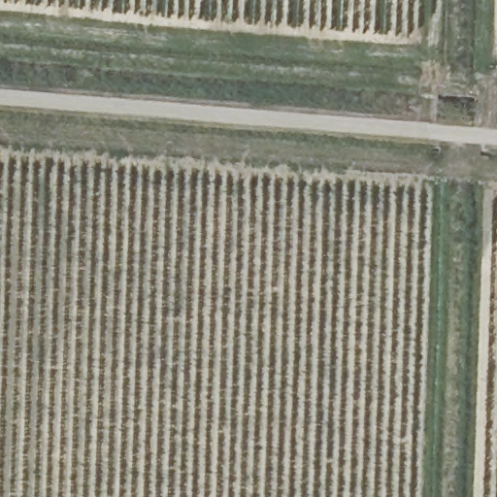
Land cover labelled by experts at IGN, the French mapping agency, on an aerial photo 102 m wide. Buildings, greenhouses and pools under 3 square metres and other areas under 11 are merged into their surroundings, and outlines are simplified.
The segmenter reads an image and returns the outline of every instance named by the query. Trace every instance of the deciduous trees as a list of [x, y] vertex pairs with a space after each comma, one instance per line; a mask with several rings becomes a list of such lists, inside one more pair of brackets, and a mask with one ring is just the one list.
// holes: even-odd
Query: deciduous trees
[[472, 120], [466, 115], [466, 111], [441, 101], [437, 111], [439, 124], [468, 126]]

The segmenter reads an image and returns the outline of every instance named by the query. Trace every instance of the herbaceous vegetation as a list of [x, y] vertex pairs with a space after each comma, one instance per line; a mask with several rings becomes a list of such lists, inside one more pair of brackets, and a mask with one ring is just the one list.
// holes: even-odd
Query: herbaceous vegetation
[[373, 118], [439, 124], [437, 111], [441, 101], [466, 111], [466, 115], [472, 120], [468, 126], [497, 130], [497, 66], [483, 78], [476, 80], [476, 74], [450, 72], [450, 66], [441, 66], [433, 60], [425, 60], [421, 66], [417, 66], [412, 58], [406, 58], [412, 45], [307, 39], [287, 35], [254, 35], [243, 31], [233, 33], [210, 29], [186, 29], [124, 21], [103, 21], [91, 17], [45, 16], [0, 10], [0, 87], [66, 95], [175, 101], [235, 109], [280, 109], [307, 115], [359, 113]]
[[153, 159], [157, 155], [165, 155], [177, 159], [192, 157], [200, 161], [245, 163], [248, 167], [287, 165], [289, 171], [346, 173], [348, 169], [355, 169], [365, 173], [427, 173], [435, 177], [435, 181], [421, 182], [421, 190], [433, 188], [423, 497], [483, 497], [491, 245], [481, 247], [483, 186], [478, 182], [497, 182], [497, 146], [460, 146], [441, 140], [404, 136], [305, 132], [291, 128], [235, 126], [223, 122], [181, 118], [142, 118], [0, 105], [0, 146], [17, 151], [95, 151], [101, 155], [111, 155], [115, 159]]

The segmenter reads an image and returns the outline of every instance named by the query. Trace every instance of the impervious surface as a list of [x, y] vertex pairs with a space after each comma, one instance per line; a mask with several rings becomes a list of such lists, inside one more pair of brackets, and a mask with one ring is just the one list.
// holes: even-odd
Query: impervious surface
[[441, 140], [460, 146], [497, 146], [497, 130], [468, 126], [439, 124], [373, 118], [359, 113], [307, 115], [280, 109], [235, 109], [175, 101], [66, 95], [0, 87], [0, 105], [142, 118], [181, 118], [223, 122], [235, 126], [291, 128], [305, 132], [404, 136]]

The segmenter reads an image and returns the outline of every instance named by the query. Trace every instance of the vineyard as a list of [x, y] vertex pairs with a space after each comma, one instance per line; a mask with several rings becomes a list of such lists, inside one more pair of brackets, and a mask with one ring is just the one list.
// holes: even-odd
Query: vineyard
[[307, 39], [412, 45], [406, 58], [412, 58], [417, 66], [421, 66], [425, 60], [433, 60], [441, 66], [450, 66], [450, 72], [476, 74], [476, 80], [483, 78], [497, 66], [497, 0], [0, 0], [0, 10], [45, 16], [91, 17], [103, 21], [124, 21], [186, 29], [210, 29], [233, 33], [243, 31], [254, 35], [287, 35]]
[[483, 186], [481, 247], [491, 245], [483, 497], [497, 497], [497, 182], [478, 182]]
[[433, 188], [421, 190], [421, 182], [435, 181], [435, 177], [427, 173], [365, 173], [355, 169], [348, 169], [346, 173], [289, 171], [287, 165], [248, 167], [245, 163], [200, 161], [192, 157], [177, 159], [165, 155], [157, 155], [153, 159], [115, 159], [111, 155], [101, 155], [95, 151], [17, 151], [0, 146], [0, 497], [423, 497]]

